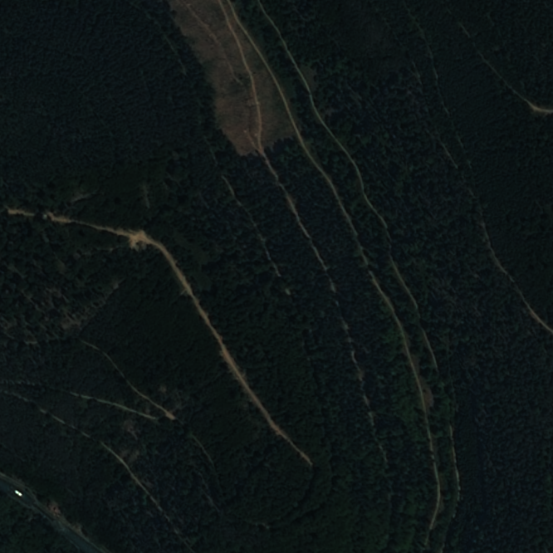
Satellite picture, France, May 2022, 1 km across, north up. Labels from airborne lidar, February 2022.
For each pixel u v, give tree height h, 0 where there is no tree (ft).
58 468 27
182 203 98
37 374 74
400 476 90
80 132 68
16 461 78
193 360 25
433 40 48
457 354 23
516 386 87
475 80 50
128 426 0
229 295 74
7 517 73
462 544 36
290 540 87
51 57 73
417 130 102
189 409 31
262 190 92
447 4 38
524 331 83
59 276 99
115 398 39
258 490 73
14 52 68
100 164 64
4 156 54
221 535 62
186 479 76
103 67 69
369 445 90
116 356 31
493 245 43
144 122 65
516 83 47
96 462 34
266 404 57
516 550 100
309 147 0
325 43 47
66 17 76
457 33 43
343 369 91
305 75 0
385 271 107
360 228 100
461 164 54
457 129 35
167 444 45
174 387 36
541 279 50
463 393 33
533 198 53
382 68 42
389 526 37
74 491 46
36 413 76
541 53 58
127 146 66
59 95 64
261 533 68
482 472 33
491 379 100
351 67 93
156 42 63
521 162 39
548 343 32
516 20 62
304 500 81
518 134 27
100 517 38
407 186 44
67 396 46
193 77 64
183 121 68
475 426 30
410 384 92
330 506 98
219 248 76
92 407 37
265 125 76
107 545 34
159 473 84
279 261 88
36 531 75
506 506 90
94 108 55
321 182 80
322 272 89
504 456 91
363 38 48
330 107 22
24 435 74
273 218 102
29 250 93
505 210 35
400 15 62
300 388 75
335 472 52
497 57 52
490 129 59
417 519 51
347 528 98
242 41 0
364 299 113
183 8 0
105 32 77
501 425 89
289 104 0
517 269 43
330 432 86
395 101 111
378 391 100
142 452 29
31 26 75
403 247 108
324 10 44
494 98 55
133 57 66
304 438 94
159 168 22
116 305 39
